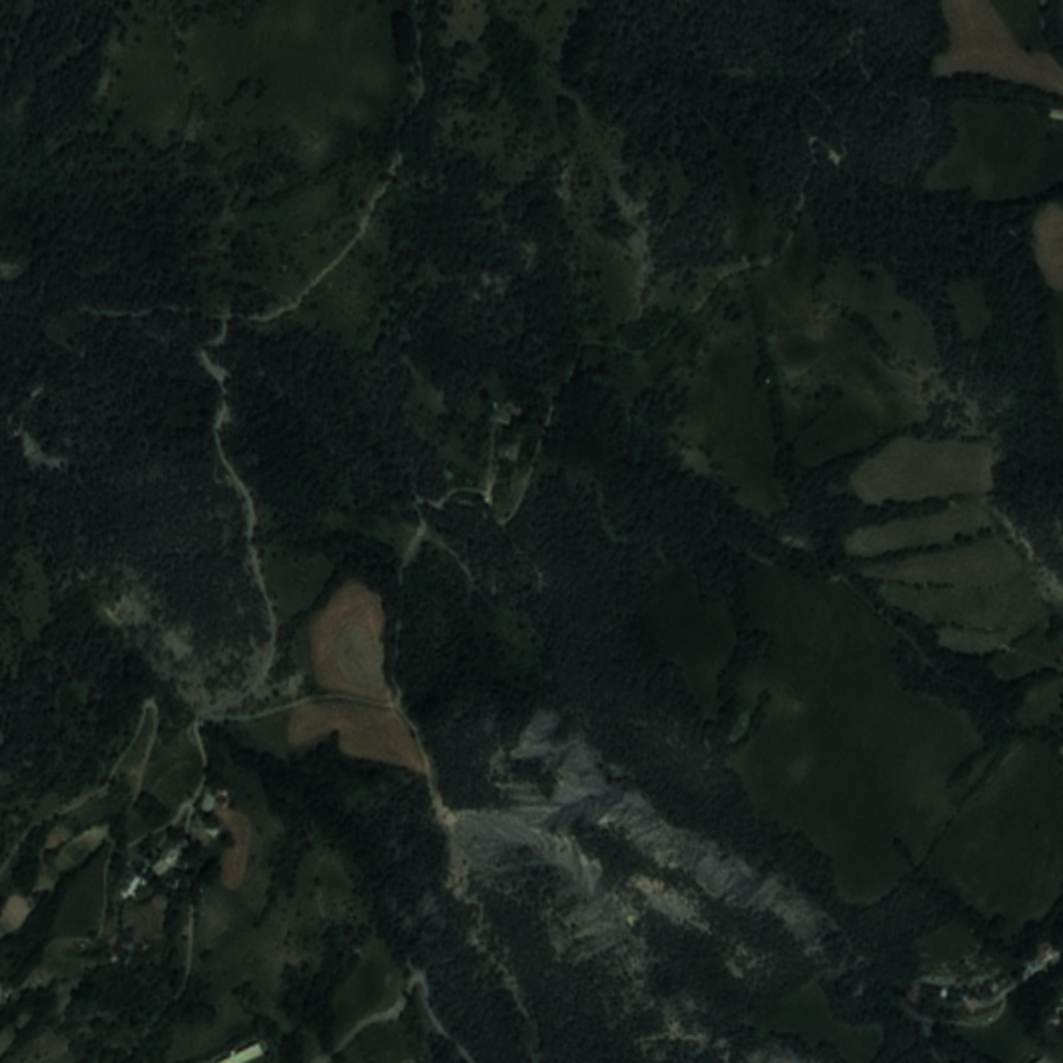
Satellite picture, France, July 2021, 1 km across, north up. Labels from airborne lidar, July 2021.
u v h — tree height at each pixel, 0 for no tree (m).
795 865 9
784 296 0
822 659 0
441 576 5
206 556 9
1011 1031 0
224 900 0
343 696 0
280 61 0
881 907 7
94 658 11
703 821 11
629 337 12
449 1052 14
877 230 20
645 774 9
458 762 8
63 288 15
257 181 8
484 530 11
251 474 13
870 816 0
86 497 16
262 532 10
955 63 0
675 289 7
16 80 17
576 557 11
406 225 9
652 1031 7
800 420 0
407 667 15
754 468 0
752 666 7
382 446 11
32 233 10
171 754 0
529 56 12
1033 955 16
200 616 7
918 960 6
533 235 12
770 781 0
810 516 13
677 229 12
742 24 11
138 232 23
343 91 0
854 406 0
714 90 27
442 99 6
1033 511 7
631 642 17
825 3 9
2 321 14
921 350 0
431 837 7
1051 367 11
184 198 14
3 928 0
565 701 9
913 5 15
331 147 0
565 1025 8
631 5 17
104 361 12
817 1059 7
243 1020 0
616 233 10
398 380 15
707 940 9
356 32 0
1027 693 8
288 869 10
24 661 9
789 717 0
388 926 8
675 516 12
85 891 0
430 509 14
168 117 0
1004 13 0
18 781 8
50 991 6
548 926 6
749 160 8
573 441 18
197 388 19
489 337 10
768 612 0
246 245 13
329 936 10
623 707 10
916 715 0
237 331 14
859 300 0
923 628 7
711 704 0
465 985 7
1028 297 17
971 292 0
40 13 13
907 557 8
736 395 0
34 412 7
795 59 13
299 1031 6
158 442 14
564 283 13
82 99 8
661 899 0
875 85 12
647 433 11
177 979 9
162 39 0
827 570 12
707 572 14
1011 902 0
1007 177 0
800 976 8
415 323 16
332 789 12
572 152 11
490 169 7
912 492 0
